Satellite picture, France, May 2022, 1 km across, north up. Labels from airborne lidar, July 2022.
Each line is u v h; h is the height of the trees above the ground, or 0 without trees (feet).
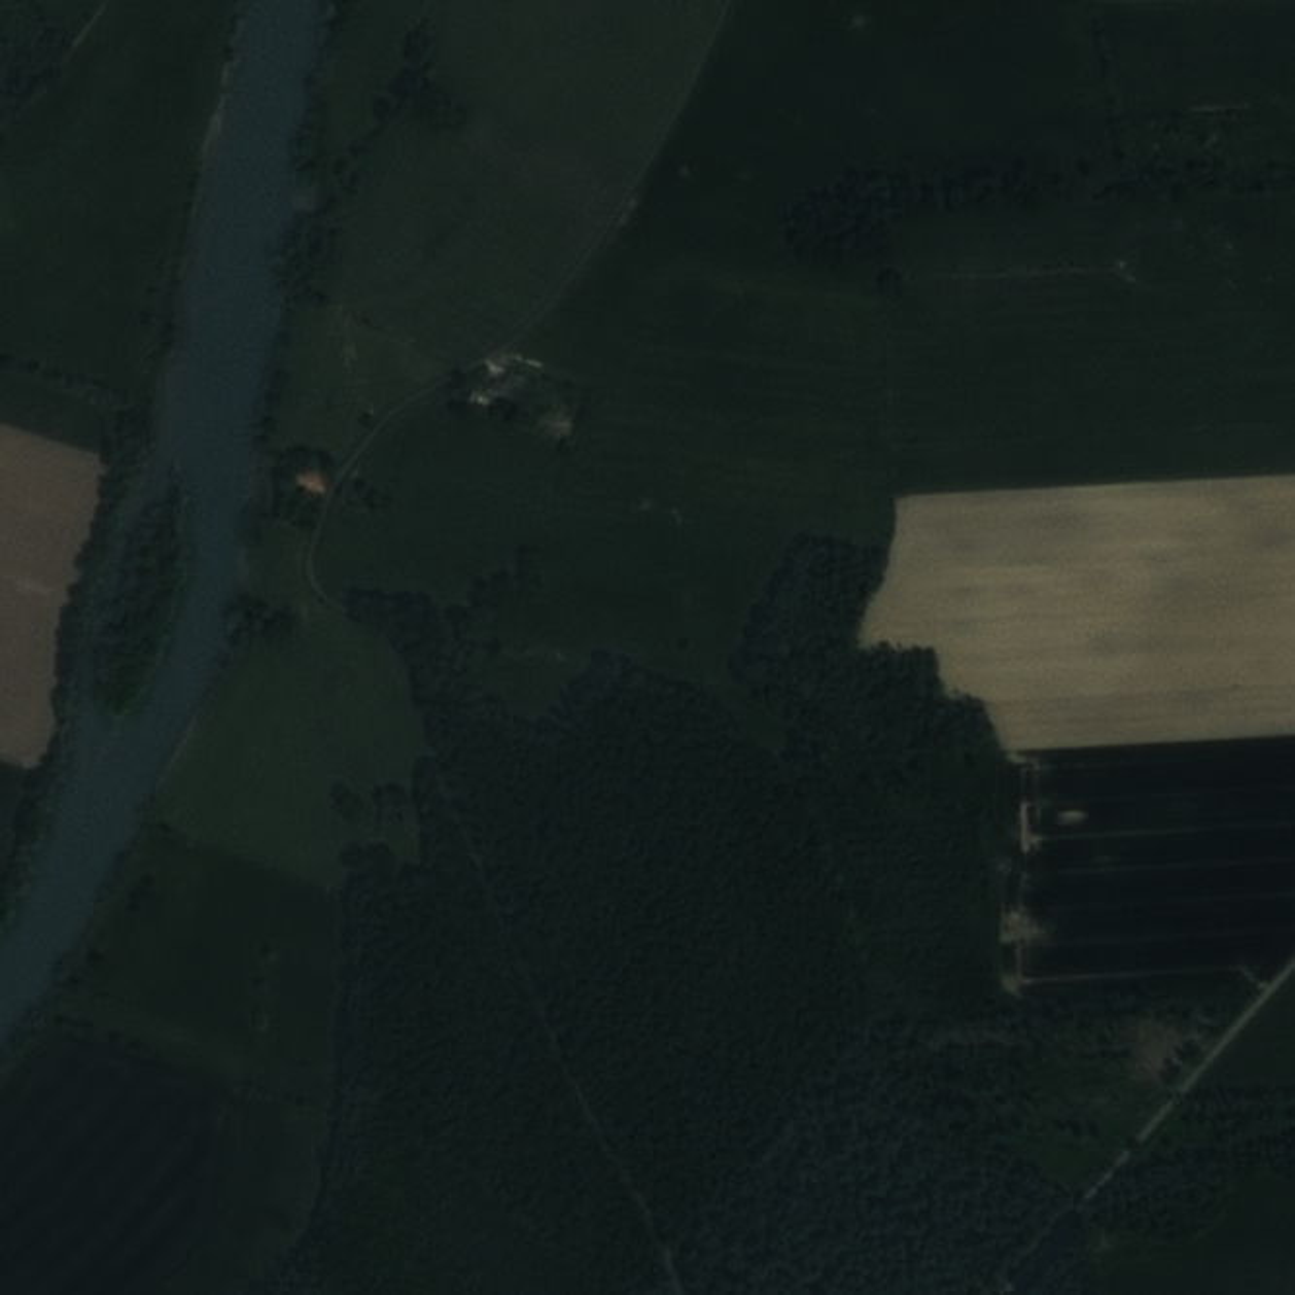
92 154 0
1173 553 0
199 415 0
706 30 0
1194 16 0
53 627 0
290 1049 0
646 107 0
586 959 69
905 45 0
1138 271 0
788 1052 66
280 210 0
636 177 0
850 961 73
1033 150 0
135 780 0
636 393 0
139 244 0
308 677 0
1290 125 0
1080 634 0
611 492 0
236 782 0
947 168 0
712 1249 75
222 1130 0
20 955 0
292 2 0
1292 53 0
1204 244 0
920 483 0
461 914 73
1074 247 0
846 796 19
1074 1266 104
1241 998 27
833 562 70
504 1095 73
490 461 0
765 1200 88
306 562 0
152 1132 0
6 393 0
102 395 55
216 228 0
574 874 74
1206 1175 88
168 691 0
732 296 0
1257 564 0
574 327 0
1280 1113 50
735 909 64
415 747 0
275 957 26
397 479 0
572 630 0
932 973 22
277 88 0
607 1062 66
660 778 79
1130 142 21
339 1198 48
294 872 0
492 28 0
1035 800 0
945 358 0
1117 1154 0
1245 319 0
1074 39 0
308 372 0
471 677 66
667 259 0
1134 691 0
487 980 59
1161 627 0
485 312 0
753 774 67
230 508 0
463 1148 62
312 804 0
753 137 0
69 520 0
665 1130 61
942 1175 116
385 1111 26
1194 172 45
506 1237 33
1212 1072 0
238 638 42
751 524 0
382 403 0
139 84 0
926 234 0
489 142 0
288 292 22
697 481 0
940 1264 120
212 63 0
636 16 0
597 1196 64
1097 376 0
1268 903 0
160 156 0
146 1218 0
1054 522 0
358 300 0
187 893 0
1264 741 0
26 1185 0
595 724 73
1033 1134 38
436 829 60
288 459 33
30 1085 0
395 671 0
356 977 69
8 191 0
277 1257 0
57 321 0
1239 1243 0
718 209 0
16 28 37
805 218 62
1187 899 0
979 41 0
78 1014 0
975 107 0
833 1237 110
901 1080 84
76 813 0
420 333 0
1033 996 0
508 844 70
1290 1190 0
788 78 0
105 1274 0
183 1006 0
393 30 0
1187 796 0
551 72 0
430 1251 29
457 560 0
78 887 0
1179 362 0
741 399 0
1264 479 0
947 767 24
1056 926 0
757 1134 73
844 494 0
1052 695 0
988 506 0
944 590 0
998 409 0
